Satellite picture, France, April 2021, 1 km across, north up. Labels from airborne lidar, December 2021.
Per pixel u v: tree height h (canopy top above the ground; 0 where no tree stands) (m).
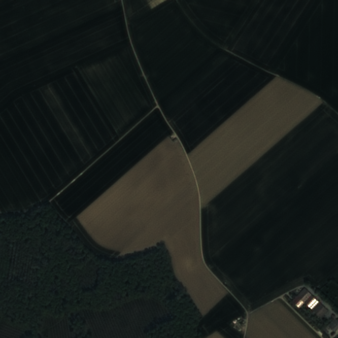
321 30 0
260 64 0
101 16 0
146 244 0
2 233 19
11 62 0
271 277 0
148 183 0
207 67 0
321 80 0
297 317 0
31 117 0
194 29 0
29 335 20
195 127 0
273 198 0
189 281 0
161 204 0
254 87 0
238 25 0
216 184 0
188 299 18
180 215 0
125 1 0
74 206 0
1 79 0
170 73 0
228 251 0
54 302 27
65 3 0
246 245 0
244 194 0
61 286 22
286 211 0
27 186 0
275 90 0
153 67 0
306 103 0
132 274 24
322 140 0
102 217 0
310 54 0
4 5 0
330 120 0
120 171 0
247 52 0
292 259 0
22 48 0
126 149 0
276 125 0
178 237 0
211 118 0
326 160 0
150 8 0
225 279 0
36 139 0
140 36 0
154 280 24
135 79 0
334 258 0
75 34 0
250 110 0
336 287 0
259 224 0
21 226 20
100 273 14
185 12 0
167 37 0
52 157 0
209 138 0
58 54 0
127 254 0
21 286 22
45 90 0
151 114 0
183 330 21
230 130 0
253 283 0
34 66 0
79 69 0
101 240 0
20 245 14
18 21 0
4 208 0
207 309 0
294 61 0
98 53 0
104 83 0
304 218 0
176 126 0
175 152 0
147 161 0
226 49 0
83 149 0
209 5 0
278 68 0
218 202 0
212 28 0
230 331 0
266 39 0
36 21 0
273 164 0
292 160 0
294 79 0
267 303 0
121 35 0
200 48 0
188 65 0
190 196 0
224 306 0
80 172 0
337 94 0
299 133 0
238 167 0
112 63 0
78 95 0
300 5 0
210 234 0
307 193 0
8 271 15
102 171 0
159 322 22
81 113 0
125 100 0
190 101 0
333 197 0
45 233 23
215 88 0
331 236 0
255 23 0
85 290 23
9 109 0
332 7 0
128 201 0
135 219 0
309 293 0
